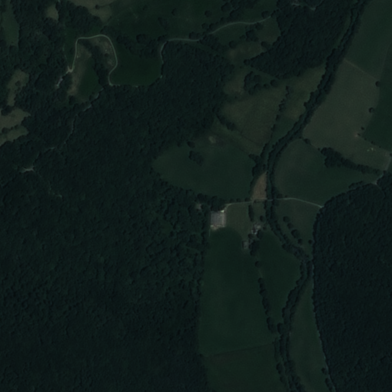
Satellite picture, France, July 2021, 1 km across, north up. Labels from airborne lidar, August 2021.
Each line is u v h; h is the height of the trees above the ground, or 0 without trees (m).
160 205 21
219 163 0
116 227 28
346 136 0
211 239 0
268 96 0
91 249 24
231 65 7
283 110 14
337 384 21
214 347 0
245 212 0
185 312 10
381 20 0
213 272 0
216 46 24
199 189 0
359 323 19
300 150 0
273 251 0
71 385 25
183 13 0
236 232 0
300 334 0
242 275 0
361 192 20
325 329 20
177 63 24
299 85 0
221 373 0
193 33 15
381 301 30
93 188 28
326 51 25
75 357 27
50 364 28
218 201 21
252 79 24
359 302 23
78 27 7
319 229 28
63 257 24
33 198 30
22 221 28
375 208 25
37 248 25
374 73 0
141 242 26
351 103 0
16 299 19
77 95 0
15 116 0
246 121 0
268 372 0
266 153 15
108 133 27
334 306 12
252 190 8
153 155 23
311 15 24
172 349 24
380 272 25
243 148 0
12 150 27
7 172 19
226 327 0
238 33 0
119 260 30
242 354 0
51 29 23
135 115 23
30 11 21
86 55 0
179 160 0
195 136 7
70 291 26
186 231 28
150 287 29
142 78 0
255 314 0
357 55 0
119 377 25
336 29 25
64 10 20
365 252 21
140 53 11
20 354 27
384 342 19
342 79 0
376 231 24
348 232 20
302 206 0
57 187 17
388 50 0
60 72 17
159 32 0
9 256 21
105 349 25
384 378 24
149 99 25
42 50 24
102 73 20
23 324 19
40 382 23
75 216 23
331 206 22
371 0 8
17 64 17
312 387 0
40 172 18
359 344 21
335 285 17
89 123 26
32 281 23
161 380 27
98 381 26
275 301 0
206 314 0
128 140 26
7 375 27
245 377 0
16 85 10
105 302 20
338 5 26
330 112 0
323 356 0
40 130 21
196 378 24
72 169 27
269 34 0
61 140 15
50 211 19
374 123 0
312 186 0
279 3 20
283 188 0
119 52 0
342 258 20
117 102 26
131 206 26
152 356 21
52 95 7
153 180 21
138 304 22
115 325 23
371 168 9
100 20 6
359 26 13
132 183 25
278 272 0
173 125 29
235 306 0
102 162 26
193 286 26
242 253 0
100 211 25
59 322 20
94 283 25
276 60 28
